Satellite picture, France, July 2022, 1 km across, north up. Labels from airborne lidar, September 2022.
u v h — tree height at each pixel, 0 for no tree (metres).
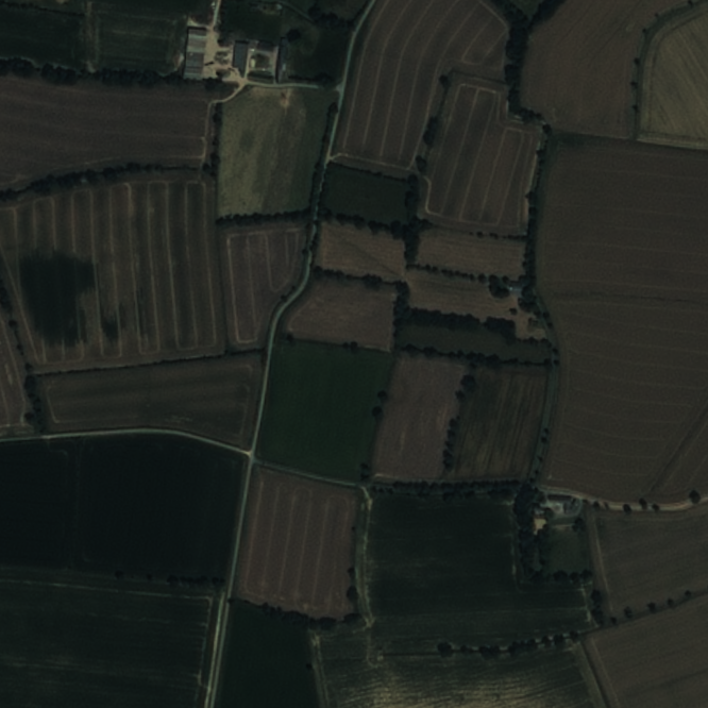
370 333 0
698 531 0
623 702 0
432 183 0
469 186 0
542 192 0
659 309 0
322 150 6
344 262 0
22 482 0
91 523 0
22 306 0
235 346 0
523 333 0
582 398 0
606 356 0
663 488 0
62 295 0
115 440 0
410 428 0
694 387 0
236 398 0
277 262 0
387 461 0
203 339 0
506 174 0
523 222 0
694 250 0
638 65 12
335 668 0
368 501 0
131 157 0
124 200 0
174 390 0
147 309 0
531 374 0
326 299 0
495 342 0
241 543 0
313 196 9
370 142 0
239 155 0
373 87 0
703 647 0
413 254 13
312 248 9
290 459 0
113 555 0
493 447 0
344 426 0
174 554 0
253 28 0
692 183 0
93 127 0
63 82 15
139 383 0
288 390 0
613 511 0
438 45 0
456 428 12
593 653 0
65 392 0
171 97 0
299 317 0
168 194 0
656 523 0
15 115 0
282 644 0
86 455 0
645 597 0
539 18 15
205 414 0
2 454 0
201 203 0
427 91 0
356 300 0
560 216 0
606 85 0
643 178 0
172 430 0
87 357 0
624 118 0
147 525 0
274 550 0
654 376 0
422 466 0
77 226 0
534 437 0
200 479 0
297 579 0
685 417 0
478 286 0
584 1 0
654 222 0
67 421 0
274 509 0
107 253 0
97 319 0
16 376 0
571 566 0
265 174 0
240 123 0
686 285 0
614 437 0
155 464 0
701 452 0
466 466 0
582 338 0
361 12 9
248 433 0
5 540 0
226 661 0
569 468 0
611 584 0
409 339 0
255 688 0
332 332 0
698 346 0
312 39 0
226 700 0
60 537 0
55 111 0
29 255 0
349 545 0
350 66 0
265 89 0
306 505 0
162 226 0
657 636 0
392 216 0
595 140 0
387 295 0
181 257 0
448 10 0
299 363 0
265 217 9
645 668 0
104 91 0
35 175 0
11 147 0
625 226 0
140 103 0
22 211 0
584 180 0
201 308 0
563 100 0
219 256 0
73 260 0
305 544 0
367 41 0
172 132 0
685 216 0
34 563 0
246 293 0
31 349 0
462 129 0
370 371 0
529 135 0
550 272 0
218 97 0
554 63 0
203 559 0
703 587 0
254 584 0
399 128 0
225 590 0
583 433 0
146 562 0
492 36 0
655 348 0
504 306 0
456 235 0
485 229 0
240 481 0
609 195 0
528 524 17
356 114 0
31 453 0
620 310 0
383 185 0
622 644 0
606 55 0
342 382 0
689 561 0
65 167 0
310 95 0
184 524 0
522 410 0
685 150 0
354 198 0
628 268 0
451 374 0
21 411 0
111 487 0
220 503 0
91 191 0
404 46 0
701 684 0
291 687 0
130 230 0
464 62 0
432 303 0
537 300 7
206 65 0
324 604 0
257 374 0
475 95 0
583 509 0
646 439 0
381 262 0
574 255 0
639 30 0
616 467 0
